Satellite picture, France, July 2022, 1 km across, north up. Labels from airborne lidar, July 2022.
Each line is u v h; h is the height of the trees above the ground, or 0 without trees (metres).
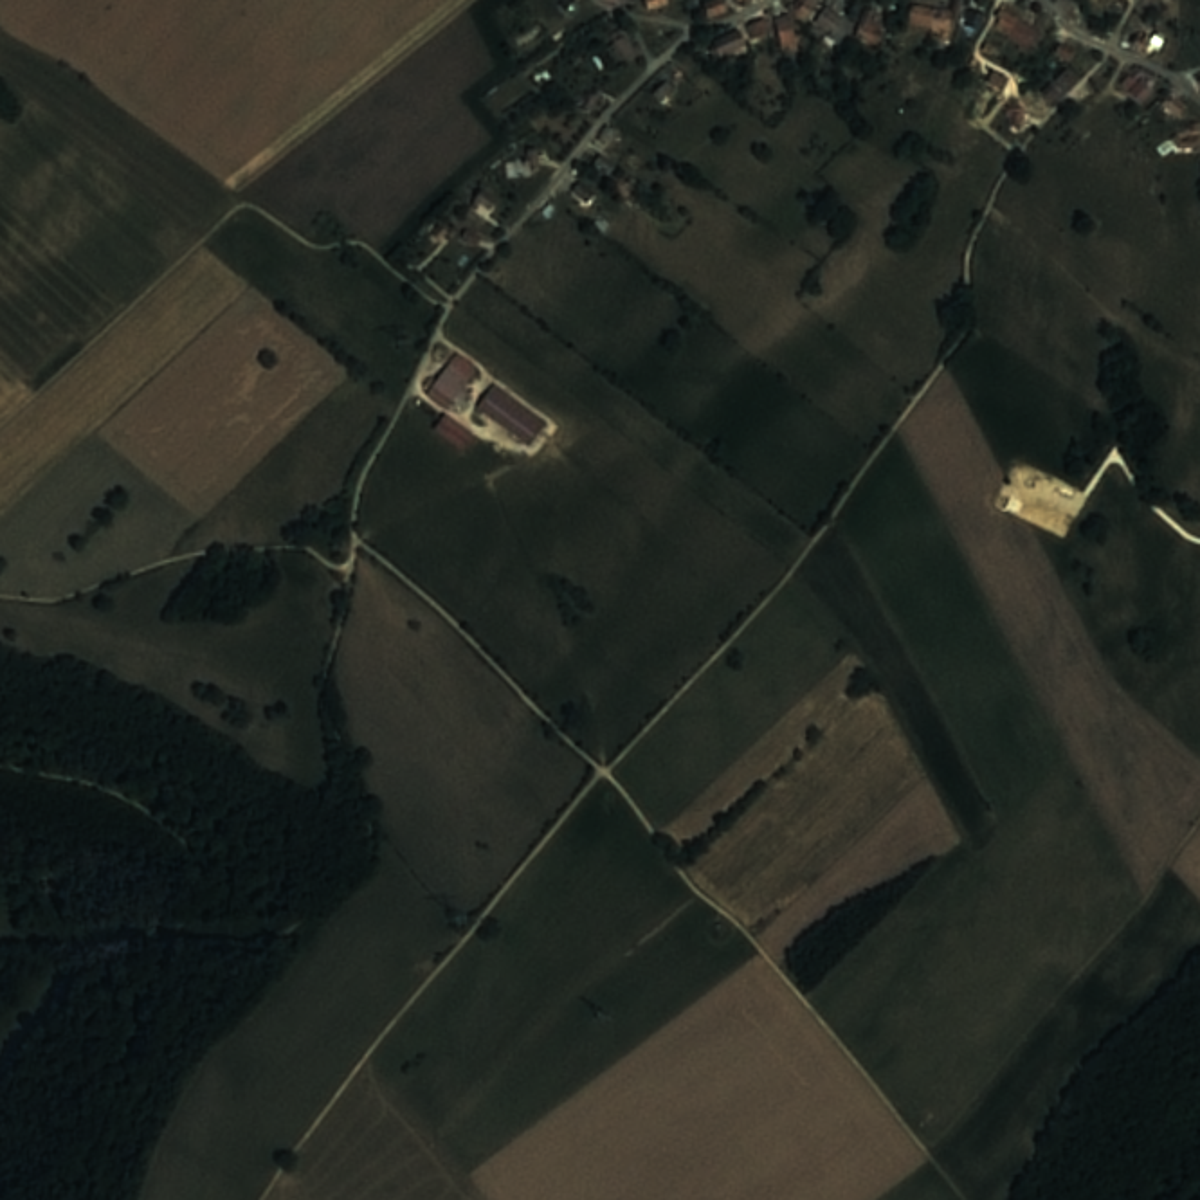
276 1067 0
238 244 0
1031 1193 19
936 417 0
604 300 0
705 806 0
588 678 0
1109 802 0
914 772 0
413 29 0
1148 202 0
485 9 0
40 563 0
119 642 0
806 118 0
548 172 0
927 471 0
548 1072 0
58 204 0
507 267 0
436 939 0
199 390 0
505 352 0
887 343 0
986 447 0
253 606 15
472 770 0
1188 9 0
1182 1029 20
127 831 14
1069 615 0
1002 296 0
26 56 0
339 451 0
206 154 0
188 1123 0
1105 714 0
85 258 0
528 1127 0
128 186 0
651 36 0
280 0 0
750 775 0
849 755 0
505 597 0
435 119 0
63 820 16
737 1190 0
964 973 0
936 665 0
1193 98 0
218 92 0
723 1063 0
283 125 0
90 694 15
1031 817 0
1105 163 0
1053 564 0
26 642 0
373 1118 0
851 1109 0
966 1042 0
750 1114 0
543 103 13
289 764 0
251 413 0
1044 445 0
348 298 0
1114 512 0
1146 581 0
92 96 0
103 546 0
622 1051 0
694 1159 0
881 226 0
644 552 0
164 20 0
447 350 0
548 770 0
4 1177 21
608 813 0
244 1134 0
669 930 0
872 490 0
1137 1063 22
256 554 14
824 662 0
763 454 0
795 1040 0
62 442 0
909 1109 0
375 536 0
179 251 0
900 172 0
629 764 0
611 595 0
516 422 0
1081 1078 14
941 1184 0
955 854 0
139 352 0
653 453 0
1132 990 0
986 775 0
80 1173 18
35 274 0
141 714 10
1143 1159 20
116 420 0
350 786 15
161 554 0
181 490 0
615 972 0
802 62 13
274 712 13
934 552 0
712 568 0
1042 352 0
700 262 0
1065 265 0
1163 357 0
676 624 0
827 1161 0
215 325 0
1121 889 0
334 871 18
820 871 0
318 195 0
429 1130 0
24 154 0
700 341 0
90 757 21
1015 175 17
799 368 0
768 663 0
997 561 0
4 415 0
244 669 0
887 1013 0
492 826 0
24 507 0
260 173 0
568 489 0
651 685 0
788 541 0
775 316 0
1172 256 0
